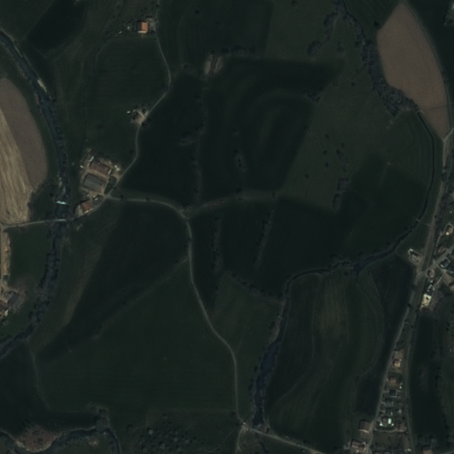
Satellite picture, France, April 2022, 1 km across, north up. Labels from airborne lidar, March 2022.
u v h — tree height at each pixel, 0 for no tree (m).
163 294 0
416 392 0
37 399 0
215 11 0
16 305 0
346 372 0
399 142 0
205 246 0
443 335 0
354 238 0
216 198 0
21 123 0
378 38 0
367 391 0
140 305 0
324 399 0
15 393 0
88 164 0
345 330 0
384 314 0
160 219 0
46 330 0
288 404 0
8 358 0
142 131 0
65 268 0
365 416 0
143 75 0
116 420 0
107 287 0
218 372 0
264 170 0
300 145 0
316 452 0
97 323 0
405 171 0
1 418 0
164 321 0
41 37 0
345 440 0
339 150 0
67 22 0
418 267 0
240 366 0
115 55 0
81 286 0
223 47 0
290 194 0
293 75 0
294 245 0
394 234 0
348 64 0
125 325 0
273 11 0
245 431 0
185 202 0
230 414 0
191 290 0
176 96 0
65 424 0
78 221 11
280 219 0
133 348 0
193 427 0
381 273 0
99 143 0
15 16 0
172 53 0
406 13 0
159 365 0
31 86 0
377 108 0
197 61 0
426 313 14
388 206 0
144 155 0
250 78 0
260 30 0
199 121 0
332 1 0
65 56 0
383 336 0
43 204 0
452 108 0
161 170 0
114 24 0
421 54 0
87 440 16
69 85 0
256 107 0
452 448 19
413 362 0
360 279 0
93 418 0
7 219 0
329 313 0
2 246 0
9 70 0
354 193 0
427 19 0
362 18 0
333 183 0
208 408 0
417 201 0
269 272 0
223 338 0
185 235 0
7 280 11
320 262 0
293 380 0
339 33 0
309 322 0
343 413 0
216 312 0
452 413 0
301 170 0
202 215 0
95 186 0
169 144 0
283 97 0
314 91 0
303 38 0
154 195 0
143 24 0
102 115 0
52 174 0
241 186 0
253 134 0
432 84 0
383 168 0
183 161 0
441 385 12
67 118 0
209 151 0
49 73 0
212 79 0
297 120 0
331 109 0
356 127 0
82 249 0
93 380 0
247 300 0
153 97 0
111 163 0
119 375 0
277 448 0
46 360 0
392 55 0
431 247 0
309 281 0
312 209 0
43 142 0
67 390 0
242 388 0
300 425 0
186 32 0
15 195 0
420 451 0
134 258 0
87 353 0
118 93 0
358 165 0
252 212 0
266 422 0
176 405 0
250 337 0
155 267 0
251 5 0
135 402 0
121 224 0
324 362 0
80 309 0
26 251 0
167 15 0
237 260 0
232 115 0
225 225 0
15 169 0
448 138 0
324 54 0
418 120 0
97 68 0
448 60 0
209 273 0
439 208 0
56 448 0
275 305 0
